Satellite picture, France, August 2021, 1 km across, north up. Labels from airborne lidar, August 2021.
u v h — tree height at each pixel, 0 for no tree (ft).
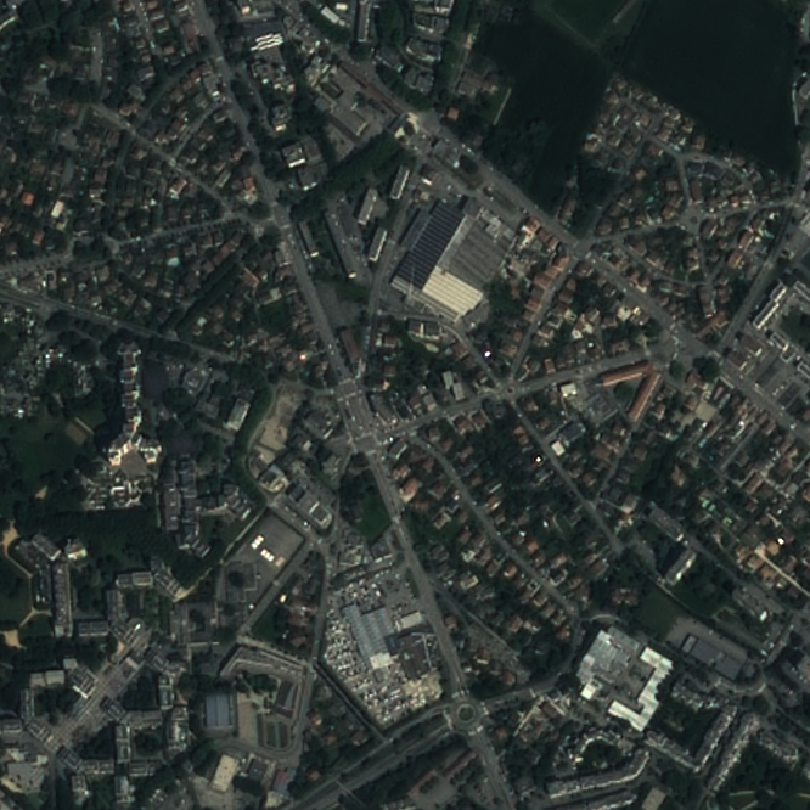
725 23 0
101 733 27
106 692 0
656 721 28
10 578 41
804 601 41
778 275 0
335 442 0
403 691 0
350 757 39
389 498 0
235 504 0
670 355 0
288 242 0
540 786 37
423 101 74
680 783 60
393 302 0
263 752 0
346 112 0
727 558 38
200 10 0
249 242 51
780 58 0
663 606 0
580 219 45
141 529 80
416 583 0
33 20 98
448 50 63
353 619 0
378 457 0
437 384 52
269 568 0
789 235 22
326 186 40
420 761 35
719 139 20
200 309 47
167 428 50
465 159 42
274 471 0
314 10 78
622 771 0
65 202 18
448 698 41
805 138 64
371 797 37
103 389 50
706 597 44
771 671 51
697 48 0
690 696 0
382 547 0
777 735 33
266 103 30
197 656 26
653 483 36
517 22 45
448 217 0
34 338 41
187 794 0
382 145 65
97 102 24
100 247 46
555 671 36
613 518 18
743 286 34
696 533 28
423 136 0
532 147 24
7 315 0
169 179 25
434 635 0
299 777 32
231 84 0
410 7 43
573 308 20
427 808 0
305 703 0
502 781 0
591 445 28
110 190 44
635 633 29
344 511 19
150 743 29
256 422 52
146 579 0
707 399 0
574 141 0
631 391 38
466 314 0
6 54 25
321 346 34
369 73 0
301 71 27
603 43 0
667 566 42
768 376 0
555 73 0
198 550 0
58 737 0
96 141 0
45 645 43
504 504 18
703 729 37
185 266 30
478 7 61
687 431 31
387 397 17
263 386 70
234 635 51
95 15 80
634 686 0
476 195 0
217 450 62
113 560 48
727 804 51
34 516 72
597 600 35
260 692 62
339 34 83
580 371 0
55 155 30
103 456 32
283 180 57
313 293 0
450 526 0
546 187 0
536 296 0
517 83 0
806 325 39
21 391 23
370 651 0
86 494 31
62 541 64
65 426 0
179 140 23
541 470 30
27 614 0
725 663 0
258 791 60
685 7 0
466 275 0
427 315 0
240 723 0
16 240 31
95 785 30
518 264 0
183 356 81
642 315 0
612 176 44
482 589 0
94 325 42
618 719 33
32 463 0
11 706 57
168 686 0
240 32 51
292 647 33
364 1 0
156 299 44
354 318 0
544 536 0
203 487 70
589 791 21
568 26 0
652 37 0
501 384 0
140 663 0
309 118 63
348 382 0
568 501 36
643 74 0
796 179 42
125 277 45
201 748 40
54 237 42
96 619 0
